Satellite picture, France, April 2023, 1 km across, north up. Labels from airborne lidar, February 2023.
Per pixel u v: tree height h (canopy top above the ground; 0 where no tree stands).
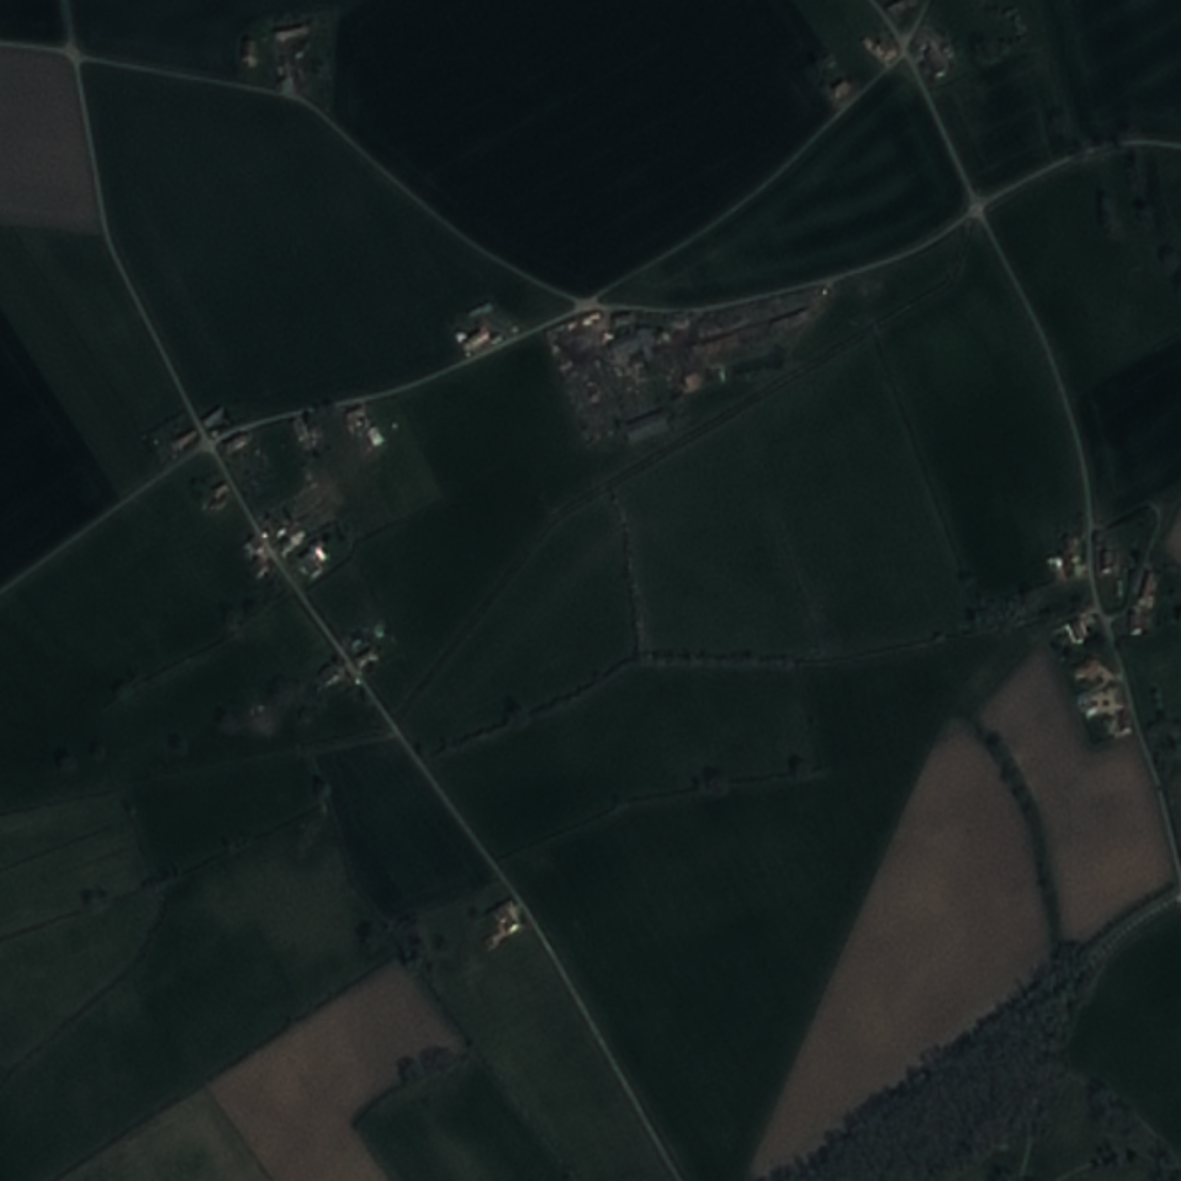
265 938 0
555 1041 0
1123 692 0
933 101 0
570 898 0
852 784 0
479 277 0
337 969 0
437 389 0
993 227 0
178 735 0
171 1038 0
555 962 0
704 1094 0
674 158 0
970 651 0
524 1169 0
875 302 0
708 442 0
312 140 0
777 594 0
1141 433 0
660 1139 0
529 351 0
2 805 0
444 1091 0
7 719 0
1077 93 0
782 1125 0
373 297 0
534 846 0
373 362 0
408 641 0
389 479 0
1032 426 0
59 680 0
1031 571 0
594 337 0
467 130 0
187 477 0
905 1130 26
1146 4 0
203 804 0
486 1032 0
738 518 0
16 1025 0
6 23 0
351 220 0
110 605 0
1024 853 0
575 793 0
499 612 0
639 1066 0
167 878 13
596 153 0
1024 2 0
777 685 0
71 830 0
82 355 0
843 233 0
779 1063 0
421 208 0
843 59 0
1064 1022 19
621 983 0
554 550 0
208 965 0
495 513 0
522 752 0
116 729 0
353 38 0
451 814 0
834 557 0
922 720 0
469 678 0
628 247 0
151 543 0
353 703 0
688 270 0
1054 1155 0
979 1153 19
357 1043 0
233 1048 0
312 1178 0
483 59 0
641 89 0
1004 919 0
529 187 0
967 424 0
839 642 0
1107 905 0
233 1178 0
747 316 0
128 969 0
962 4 0
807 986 0
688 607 0
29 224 0
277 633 0
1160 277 0
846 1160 25
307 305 0
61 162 0
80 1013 0
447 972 0
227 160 0
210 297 0
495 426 0
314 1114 0
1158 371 0
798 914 0
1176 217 0
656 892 0
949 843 0
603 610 0
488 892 0
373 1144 0
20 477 0
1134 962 0
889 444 0
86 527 0
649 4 0
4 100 0
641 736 0
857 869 0
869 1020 0
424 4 0
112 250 0
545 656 0
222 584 0
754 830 0
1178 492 0
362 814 0
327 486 0
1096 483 0
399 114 0
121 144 0
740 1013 0
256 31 0
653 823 0
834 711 0
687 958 0
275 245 0
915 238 0
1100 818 0
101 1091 0
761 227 0
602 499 0
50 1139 0
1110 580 8
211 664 0
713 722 0
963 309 0
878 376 0
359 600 0
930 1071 16
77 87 0
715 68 0
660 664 11
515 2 0
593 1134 0
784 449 0
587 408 0
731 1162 0
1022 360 0
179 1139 0
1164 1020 0
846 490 0
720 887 0
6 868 0
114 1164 0
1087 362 0
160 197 0
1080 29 0
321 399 0
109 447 0
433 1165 0
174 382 0
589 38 0
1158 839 0
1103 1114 14
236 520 0
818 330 0
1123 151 12
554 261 0
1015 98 0
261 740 0
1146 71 0
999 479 0
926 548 0
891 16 12
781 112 0
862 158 0
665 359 0
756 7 0
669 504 0
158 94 0
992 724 0
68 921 0
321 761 0
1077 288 0
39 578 0
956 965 0
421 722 0
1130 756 0
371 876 0
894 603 0
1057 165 0
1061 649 7
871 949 0
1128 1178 0
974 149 0
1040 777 0
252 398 0
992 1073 26
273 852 0
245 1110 0
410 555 0
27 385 0
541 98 0
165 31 0
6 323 0
